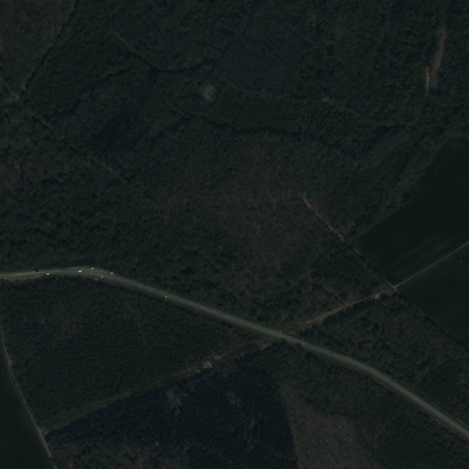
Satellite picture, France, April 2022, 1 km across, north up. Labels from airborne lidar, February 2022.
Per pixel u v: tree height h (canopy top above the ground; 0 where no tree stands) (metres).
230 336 9
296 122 14
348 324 24
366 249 0
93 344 14
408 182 26
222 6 24
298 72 21
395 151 16
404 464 17
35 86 13
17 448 0
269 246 23
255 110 15
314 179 25
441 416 0
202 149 24
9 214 26
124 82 24
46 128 28
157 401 26
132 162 21
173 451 19
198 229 22
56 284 13
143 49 27
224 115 15
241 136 23
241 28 25
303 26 21
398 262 0
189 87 26
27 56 25
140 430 30
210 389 20
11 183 29
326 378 27
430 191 0
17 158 13
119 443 20
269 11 23
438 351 22
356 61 28
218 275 28
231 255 18
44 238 25
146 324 10
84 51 12
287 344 21
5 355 0
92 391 12
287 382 23
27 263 23
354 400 12
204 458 21
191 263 20
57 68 16
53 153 25
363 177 20
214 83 14
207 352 8
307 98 19
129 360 14
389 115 29
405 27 26
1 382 0
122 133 25
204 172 27
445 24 21
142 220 22
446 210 0
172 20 29
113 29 31
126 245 21
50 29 27
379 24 27
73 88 19
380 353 24
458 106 8
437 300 0
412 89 28
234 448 19
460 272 0
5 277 0
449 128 25
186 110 18
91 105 27
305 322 0
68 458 14
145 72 27
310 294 29
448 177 0
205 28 29
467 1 24
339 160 25
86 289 16
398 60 24
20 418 0
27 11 26
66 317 15
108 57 13
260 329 0
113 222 25
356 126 13
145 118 25
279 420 22
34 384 17
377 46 29
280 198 25
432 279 0
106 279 0
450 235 0
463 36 24
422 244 0
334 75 28
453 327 0
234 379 22
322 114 12
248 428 17
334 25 31
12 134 28
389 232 0
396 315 23
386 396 9
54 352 17
